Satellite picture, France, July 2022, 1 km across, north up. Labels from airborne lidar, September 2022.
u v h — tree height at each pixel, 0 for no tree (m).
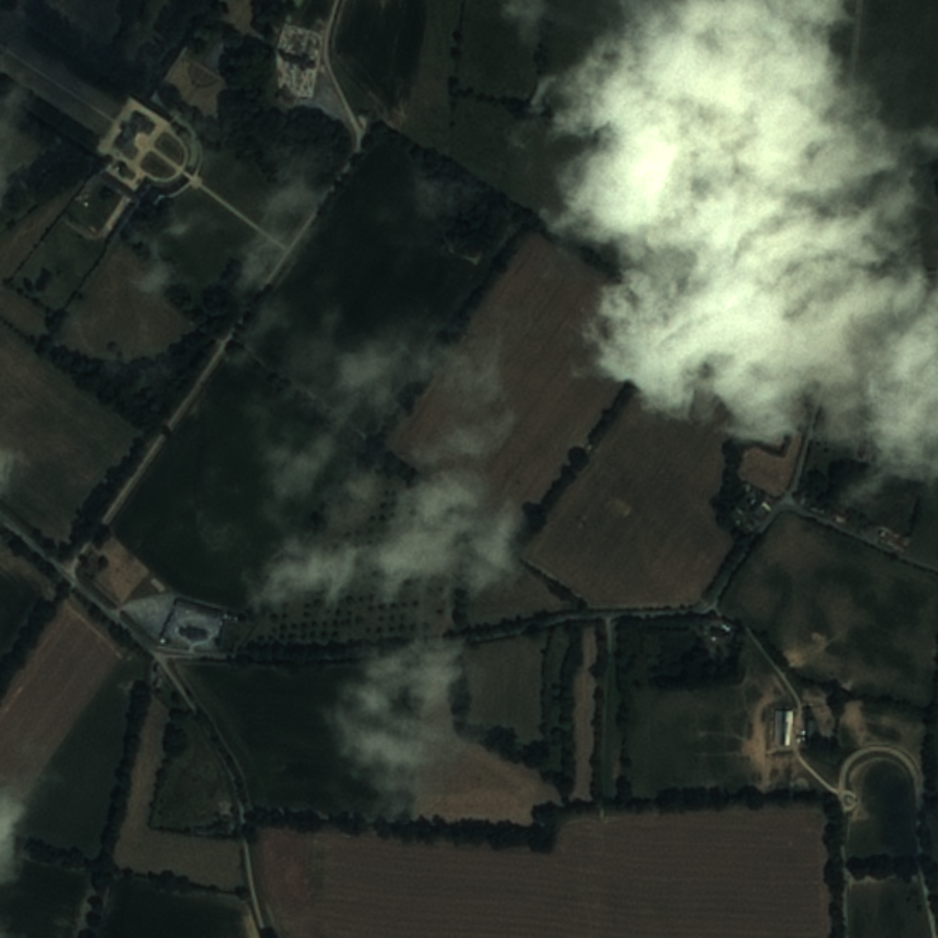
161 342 0
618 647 11
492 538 13
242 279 25
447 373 0
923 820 18
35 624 19
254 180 0
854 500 0
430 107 0
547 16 12
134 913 0
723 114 0
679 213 0
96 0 0
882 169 19
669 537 0
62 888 0
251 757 0
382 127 12
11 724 0
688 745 0
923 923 0
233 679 0
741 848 0
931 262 0
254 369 15
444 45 0
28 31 11
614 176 0
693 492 0
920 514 13
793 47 0
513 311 0
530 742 0
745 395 10
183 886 12
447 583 0
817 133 0
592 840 0
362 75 0
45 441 0
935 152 0
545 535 0
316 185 17
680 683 27
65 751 0
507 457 0
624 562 0
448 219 33
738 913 0
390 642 12
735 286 23
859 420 0
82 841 0
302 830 15
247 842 9
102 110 0
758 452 0
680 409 0
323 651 12
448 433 0
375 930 0
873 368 12
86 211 0
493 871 0
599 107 0
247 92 21
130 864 0
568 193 0
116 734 0
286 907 0
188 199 0
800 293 0
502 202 32
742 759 0
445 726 0
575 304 0
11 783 0
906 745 0
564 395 0
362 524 0
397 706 0
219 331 13
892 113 0
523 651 0
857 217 0
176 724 14
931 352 0
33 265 0
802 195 11
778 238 0
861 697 5
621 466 0
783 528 0
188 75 0
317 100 0
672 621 8
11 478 0
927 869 15
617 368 0
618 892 0
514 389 0
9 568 0
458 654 8
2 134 0
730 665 14
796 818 0
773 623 0
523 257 0
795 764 0
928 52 0
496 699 0
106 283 0
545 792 0
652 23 0
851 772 0
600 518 0
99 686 0
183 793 0
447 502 8
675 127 0
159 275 13
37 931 0
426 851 0
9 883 0
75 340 0
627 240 0
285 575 23
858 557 0
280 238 0
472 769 0
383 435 9
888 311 0
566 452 0
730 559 10
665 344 8
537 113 18
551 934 0
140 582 0
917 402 0
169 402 17
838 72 0
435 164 15
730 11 0
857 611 0
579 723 0
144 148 0
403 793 17
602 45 0
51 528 0
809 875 0
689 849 0
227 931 0
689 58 0
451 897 0
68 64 12
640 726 0
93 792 0
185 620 0
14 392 0
